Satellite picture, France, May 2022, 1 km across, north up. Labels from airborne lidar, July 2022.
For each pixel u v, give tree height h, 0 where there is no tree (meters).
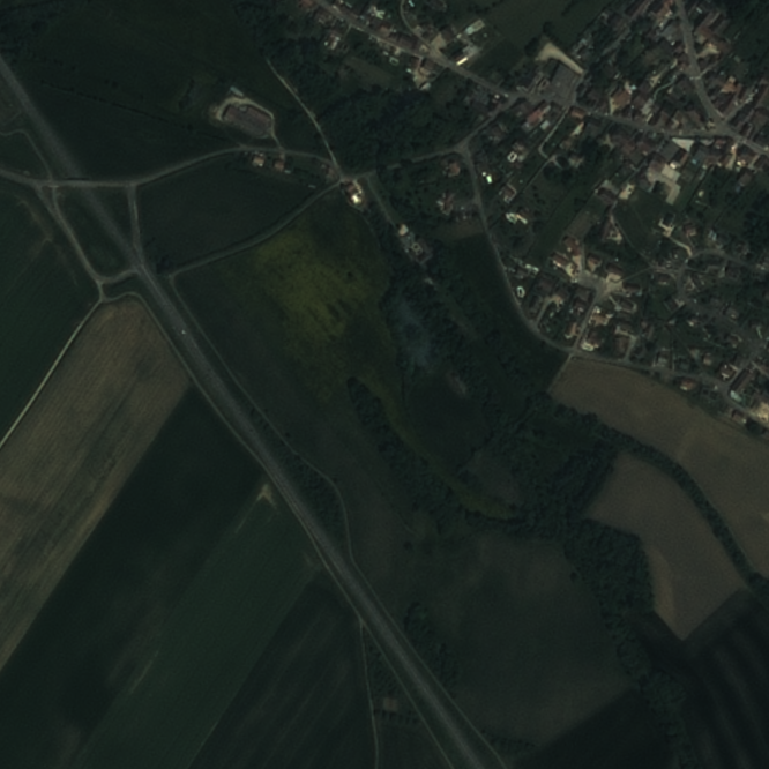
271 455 0
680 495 0
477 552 0
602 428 13
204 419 0
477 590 0
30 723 0
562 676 0
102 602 0
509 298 0
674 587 0
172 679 0
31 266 0
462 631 0
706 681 0
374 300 0
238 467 0
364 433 0
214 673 0
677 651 0
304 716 0
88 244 0
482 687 0
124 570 0
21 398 0
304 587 0
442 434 0
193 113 0
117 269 0
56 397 0
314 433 0
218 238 0
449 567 0
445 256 22
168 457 0
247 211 0
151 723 0
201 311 0
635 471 0
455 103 8
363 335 0
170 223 0
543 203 9
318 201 0
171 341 0
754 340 0
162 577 0
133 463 0
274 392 0
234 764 0
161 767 0
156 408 0
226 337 0
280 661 0
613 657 0
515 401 0
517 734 0
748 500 0
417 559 0
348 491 0
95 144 0
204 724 0
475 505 0
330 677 0
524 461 8
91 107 0
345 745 0
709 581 0
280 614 0
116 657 0
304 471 13
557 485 20
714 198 7
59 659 0
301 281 0
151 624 0
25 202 0
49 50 0
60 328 0
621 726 0
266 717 0
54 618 0
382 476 0
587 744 0
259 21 15
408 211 20
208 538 0
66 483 0
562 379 0
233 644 0
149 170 0
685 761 9
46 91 0
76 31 0
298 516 0
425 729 0
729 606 0
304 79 18
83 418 0
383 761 0
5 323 0
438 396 0
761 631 0
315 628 0
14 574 0
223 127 0
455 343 10
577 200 6
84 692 0
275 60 18
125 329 0
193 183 0
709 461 0
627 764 0
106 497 0
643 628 0
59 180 0
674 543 0
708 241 0
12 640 0
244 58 0
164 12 0
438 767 0
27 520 0
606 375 0
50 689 0
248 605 0
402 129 33
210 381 0
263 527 0
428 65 0
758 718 0
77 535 0
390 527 0
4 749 0
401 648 0
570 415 20
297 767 0
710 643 0
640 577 23
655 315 6
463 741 0
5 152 0
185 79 0
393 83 0
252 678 0
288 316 0
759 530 0
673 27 0
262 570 0
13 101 0
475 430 0
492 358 0
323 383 0
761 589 18
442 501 21
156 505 0
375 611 0
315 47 22
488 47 0
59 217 0
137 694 0
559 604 0
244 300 0
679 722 19
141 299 0
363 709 0
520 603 0
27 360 0
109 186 0
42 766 0
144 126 0
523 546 0
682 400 0
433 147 22
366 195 0
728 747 0
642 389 0
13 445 0
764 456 0
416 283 15
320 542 0
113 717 0
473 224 0
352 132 19
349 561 0
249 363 0
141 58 0
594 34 6
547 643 0
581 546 16
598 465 29
